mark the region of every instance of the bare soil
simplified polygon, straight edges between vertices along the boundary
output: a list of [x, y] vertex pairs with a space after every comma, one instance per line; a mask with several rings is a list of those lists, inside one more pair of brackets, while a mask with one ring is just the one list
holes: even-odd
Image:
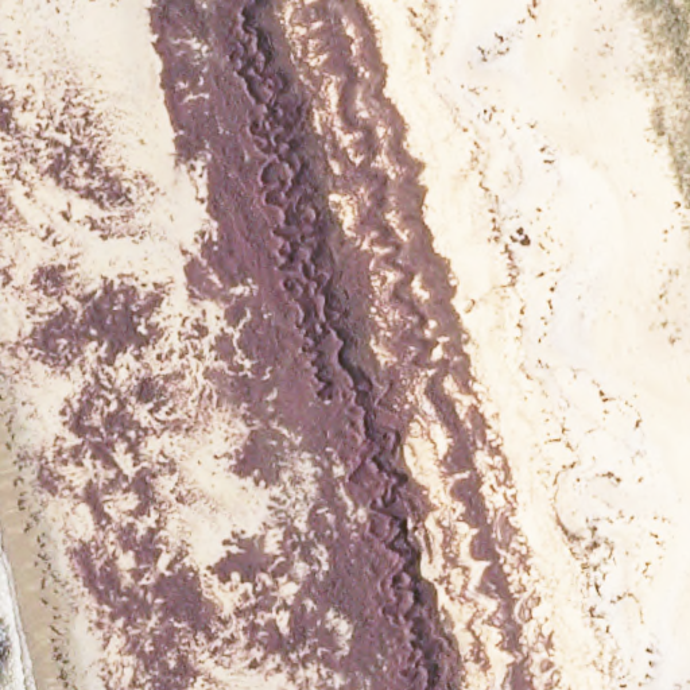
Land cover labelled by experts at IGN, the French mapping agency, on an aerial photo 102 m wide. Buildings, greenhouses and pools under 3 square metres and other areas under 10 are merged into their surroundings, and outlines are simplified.
[[27, 641], [32, 660], [35, 690], [690, 690], [690, 0], [0, 0], [0, 561], [5, 558], [13, 571], [13, 598], [22, 623], [22, 636]]

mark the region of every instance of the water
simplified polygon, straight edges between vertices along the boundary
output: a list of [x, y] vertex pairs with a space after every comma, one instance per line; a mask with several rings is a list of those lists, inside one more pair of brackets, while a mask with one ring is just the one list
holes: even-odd
[[22, 636], [22, 623], [13, 598], [13, 571], [5, 558], [0, 561], [0, 690], [35, 690], [32, 660], [27, 641]]

